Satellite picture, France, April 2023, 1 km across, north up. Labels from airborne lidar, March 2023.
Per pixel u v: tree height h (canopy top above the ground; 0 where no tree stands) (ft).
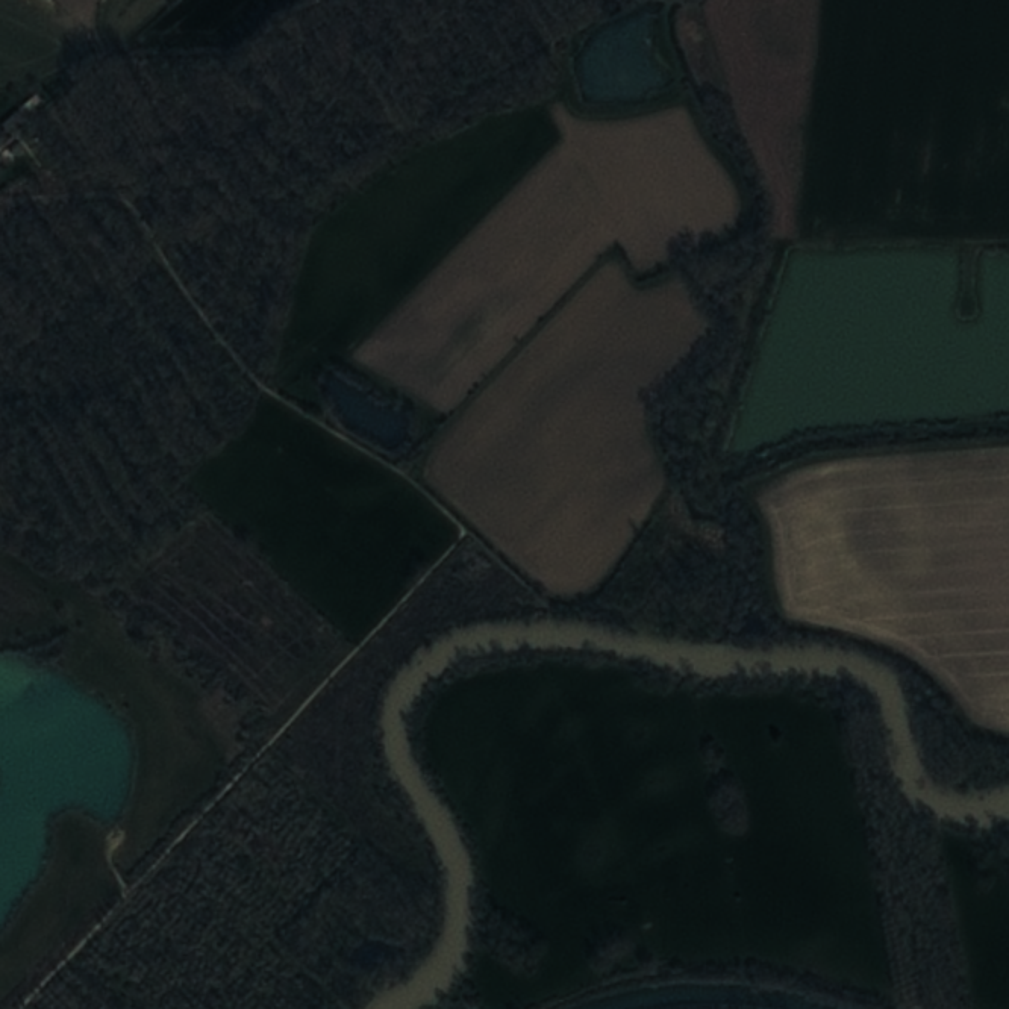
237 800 19
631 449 0
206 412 43
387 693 36
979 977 0
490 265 0
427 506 0
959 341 0
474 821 0
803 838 0
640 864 0
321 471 0
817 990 51
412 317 0
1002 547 0
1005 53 0
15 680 0
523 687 0
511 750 0
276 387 0
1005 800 0
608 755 0
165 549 69
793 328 0
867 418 0
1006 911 0
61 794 0
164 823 0
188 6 0
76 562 81
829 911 0
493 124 0
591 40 0
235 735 0
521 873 0
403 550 0
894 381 0
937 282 0
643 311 0
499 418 0
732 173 0
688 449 74
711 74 0
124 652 0
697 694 23
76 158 80
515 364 0
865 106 0
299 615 0
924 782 0
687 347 0
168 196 93
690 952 0
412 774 0
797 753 0
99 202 28
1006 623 0
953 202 0
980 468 0
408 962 52
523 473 0
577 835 0
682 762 0
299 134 89
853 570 0
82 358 65
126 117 133
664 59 0
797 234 0
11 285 120
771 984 57
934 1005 114
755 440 0
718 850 0
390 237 0
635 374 0
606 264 0
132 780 0
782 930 0
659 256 0
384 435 0
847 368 0
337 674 0
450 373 0
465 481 0
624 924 0
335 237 0
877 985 0
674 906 0
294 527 0
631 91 0
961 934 68
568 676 0
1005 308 0
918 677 55
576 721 0
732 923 0
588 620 54
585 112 0
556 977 0
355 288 0
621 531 0
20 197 0
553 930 0
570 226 0
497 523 0
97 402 115
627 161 0
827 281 0
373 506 0
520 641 0
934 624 0
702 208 0
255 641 0
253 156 59
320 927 82
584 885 0
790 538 0
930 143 0
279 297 111
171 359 111
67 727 0
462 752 0
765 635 60
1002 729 0
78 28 0
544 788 0
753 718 0
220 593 0
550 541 0
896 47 0
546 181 0
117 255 111
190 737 0
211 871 20
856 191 0
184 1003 17
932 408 0
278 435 0
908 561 0
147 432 80
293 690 0
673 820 0
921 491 0
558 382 0
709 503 84
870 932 0
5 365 66
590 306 0
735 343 80
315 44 72
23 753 0
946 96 0
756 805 0
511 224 0
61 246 115
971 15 0
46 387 64
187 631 0
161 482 70
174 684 0
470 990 17
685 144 0
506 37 74
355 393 0
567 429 0
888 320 0
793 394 0
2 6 0
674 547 0
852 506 0
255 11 0
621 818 0
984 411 0
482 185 0
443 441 0
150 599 0
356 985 64
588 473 0
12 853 0
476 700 0
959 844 0
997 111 0
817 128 0
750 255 76
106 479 127
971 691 0
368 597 0
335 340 0
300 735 0
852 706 51
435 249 0
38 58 0
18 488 18
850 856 0
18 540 60
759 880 0
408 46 67
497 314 0
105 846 0
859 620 0
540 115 0
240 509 0
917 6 0
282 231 114
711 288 88
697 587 84
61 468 121
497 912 70
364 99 54
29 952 0
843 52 0
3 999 0
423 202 0
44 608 0
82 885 0
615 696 0
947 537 0
